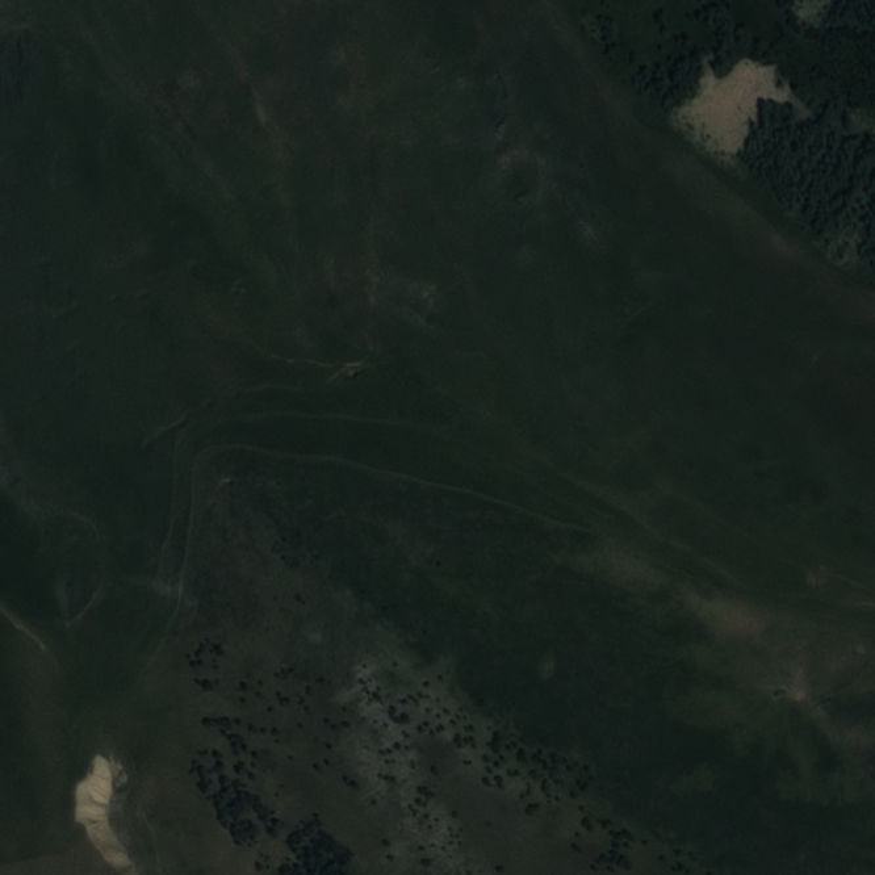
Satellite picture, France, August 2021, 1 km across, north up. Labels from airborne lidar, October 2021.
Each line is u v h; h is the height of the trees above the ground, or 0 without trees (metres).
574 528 0
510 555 0
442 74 0
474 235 0
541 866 0
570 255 0
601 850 0
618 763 0
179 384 0
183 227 0
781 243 0
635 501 0
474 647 0
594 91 0
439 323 0
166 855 0
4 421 0
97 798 0
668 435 0
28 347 0
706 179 0
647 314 0
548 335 0
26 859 0
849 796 0
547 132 0
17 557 0
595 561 0
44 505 0
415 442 0
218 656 8
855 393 0
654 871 0
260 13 0
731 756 0
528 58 0
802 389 0
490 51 0
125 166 0
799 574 0
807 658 0
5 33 0
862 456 0
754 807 0
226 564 0
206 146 0
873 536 0
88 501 0
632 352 0
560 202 0
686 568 0
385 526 0
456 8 0
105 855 0
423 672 0
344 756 0
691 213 0
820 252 0
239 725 8
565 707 0
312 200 0
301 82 0
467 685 0
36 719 0
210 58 0
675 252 0
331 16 0
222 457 0
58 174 0
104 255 0
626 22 0
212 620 0
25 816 0
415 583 0
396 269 0
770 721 0
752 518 0
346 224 0
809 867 0
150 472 0
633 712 0
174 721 0
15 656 0
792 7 12
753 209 0
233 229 0
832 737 0
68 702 0
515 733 0
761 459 0
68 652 0
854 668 0
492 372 0
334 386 0
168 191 0
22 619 0
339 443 0
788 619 0
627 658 0
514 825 0
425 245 0
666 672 0
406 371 0
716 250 0
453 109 0
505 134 0
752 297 0
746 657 0
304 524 0
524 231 0
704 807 0
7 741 0
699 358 0
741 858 0
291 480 0
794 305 0
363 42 0
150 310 0
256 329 0
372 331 0
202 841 0
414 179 0
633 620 0
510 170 0
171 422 0
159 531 0
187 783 0
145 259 0
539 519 0
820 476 0
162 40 0
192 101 0
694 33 0
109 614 0
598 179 0
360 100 0
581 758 0
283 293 0
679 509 0
